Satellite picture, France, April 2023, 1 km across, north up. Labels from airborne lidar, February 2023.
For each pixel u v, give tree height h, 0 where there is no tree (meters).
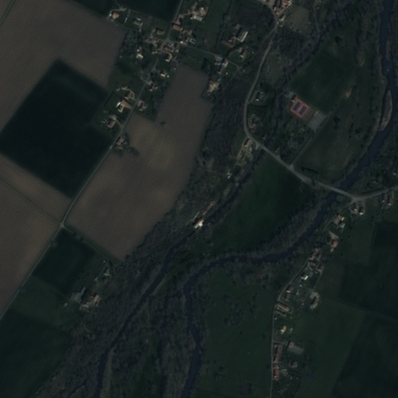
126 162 0
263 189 0
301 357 0
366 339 0
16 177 0
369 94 0
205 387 0
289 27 7
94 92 0
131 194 0
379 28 10
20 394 0
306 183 0
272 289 0
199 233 0
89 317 9
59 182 0
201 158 9
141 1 0
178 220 6
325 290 0
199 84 0
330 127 0
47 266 0
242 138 0
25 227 0
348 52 0
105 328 13
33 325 0
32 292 0
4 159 0
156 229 11
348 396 0
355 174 0
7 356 0
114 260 0
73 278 0
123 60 0
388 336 0
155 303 22
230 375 0
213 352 0
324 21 0
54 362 0
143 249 17
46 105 0
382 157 11
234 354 0
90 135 0
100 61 0
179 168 0
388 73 0
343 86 0
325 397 0
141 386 0
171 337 31
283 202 0
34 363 0
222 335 0
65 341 0
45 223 0
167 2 0
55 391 20
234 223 0
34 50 0
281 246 18
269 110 13
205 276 15
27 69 0
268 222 0
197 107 0
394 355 0
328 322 0
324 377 0
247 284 28
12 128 0
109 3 0
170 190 0
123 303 16
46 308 0
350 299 0
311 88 0
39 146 0
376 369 0
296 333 0
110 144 0
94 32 0
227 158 16
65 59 0
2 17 0
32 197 0
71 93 0
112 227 0
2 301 0
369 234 0
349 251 0
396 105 10
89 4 0
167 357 36
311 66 0
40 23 0
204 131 0
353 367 0
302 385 0
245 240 0
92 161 0
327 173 0
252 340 0
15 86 0
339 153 0
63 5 0
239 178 15
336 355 0
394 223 0
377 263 0
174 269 9
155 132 0
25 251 0
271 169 0
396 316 0
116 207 0
